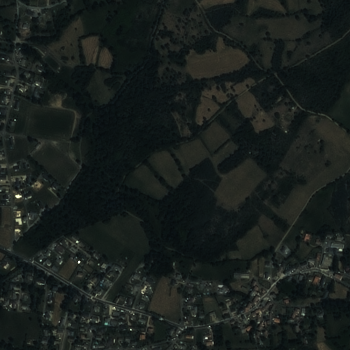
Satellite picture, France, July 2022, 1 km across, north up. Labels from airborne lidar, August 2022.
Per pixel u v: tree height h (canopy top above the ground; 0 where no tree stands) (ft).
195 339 0
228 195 0
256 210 0
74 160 0
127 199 59
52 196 0
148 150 21
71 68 0
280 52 35
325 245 0
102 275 42
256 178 0
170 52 28
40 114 0
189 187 20
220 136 0
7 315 0
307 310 23
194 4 30
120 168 46
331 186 26
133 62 0
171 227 24
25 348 29
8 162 0
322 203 0
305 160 0
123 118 57
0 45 36
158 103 20
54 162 0
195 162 0
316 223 0
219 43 0
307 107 20
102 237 0
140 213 50
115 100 22
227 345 40
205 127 45
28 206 0
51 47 0
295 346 0
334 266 51
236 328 29
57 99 0
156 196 0
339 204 0
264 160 28
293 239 0
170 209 43
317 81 18
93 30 0
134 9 0
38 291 41
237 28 0
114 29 0
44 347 0
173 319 0
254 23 0
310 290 31
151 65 36
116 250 0
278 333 24
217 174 0
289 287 0
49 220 26
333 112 0
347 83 26
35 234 22
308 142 0
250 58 24
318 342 0
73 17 43
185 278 27
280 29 0
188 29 0
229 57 0
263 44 0
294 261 0
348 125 0
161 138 27
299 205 0
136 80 20
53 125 0
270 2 0
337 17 27
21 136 0
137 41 0
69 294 53
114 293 0
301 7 0
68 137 0
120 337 0
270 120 0
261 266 0
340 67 23
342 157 0
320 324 23
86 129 50
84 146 0
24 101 0
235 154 29
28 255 0
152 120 20
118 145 28
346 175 25
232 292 30
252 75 32
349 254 25
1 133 0
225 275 0
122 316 0
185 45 28
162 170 0
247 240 0
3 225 0
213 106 0
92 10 49
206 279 0
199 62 0
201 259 40
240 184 0
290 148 0
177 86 27
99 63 0
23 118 0
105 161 49
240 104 0
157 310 0
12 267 0
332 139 0
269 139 24
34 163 23
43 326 21
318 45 0
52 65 0
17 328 0
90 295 0
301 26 0
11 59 0
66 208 70
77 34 0
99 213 62
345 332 18
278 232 0
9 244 0
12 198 0
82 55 44
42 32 32
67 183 0
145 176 0
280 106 0
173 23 0
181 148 0
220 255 37
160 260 26
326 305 59
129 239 0
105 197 67
